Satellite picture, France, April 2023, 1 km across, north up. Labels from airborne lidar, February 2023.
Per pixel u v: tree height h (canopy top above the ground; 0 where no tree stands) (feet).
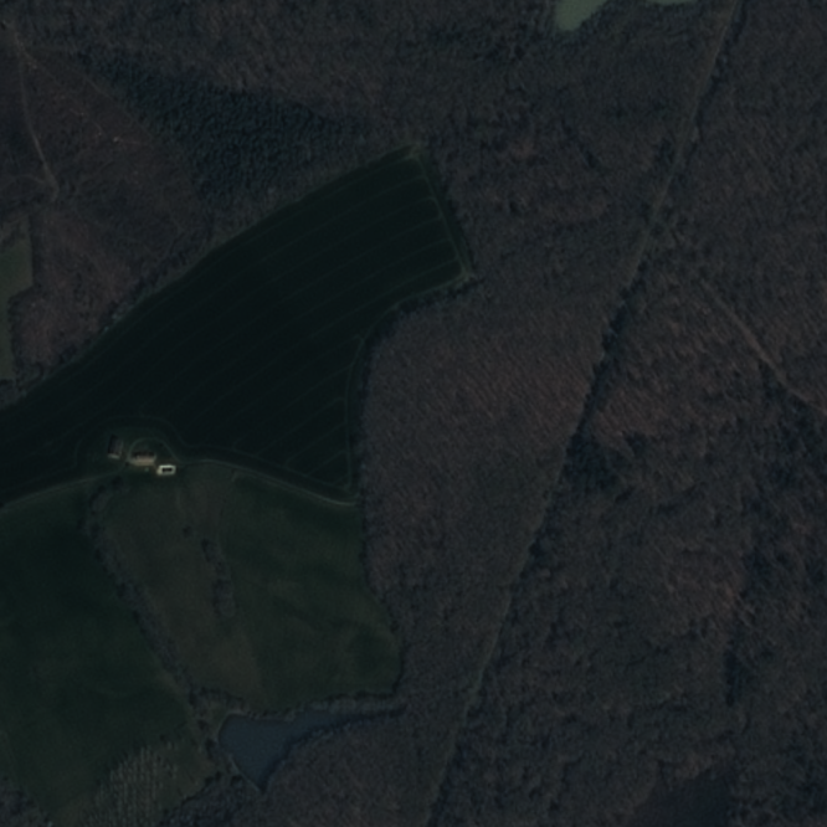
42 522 0
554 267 69
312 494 0
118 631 0
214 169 80
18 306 24
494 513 64
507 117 80
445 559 78
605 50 74
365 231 0
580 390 60
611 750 76
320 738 49
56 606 0
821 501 57
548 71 88
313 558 0
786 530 62
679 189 54
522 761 64
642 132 51
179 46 91
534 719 65
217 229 76
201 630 0
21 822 66
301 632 0
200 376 0
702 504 64
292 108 74
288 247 0
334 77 72
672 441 70
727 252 81
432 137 66
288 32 91
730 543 58
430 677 76
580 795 71
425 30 86
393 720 56
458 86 83
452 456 76
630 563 63
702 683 52
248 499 0
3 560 0
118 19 71
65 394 0
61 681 0
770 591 95
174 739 0
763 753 65
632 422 66
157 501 0
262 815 64
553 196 67
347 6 84
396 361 71
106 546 73
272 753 0
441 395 66
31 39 86
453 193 71
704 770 71
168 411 0
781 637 74
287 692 0
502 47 36
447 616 80
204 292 0
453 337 59
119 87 84
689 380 70
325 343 0
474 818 64
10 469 0
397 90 79
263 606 0
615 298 56
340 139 82
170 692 0
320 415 0
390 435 65
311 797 65
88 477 0
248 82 98
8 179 0
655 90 63
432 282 0
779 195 31
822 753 53
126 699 0
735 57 44
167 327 0
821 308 86
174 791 0
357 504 0
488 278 62
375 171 0
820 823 89
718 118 60
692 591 67
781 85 70
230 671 0
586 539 61
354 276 0
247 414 0
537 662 64
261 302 0
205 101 81
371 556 68
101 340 0
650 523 62
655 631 56
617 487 96
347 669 0
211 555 60
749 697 63
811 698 65
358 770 71
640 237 56
